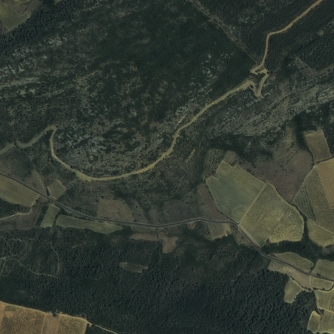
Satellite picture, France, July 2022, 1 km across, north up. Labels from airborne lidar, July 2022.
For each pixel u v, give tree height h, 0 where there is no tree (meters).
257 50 9
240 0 6
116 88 0
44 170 0
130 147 0
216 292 9
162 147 0
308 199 0
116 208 0
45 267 7
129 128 0
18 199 0
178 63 0
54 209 0
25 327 0
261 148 0
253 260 8
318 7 7
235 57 0
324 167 0
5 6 0
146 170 0
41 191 0
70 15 6
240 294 9
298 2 8
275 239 0
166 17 0
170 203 0
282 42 7
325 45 6
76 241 6
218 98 0
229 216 0
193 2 0
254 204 0
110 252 6
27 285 9
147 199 0
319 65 8
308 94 0
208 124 12
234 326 17
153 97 0
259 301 15
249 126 0
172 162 0
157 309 8
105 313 7
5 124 0
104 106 0
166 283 14
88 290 6
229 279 7
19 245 10
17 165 0
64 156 0
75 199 0
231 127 0
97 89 0
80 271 10
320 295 0
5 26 0
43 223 0
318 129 0
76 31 0
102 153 0
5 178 0
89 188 0
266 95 0
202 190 0
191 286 6
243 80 0
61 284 8
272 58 8
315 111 0
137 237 0
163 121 0
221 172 0
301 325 20
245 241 0
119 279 8
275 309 13
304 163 0
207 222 0
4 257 7
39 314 0
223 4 6
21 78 0
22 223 0
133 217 0
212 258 8
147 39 0
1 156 0
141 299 11
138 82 0
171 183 0
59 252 10
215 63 0
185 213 0
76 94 0
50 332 0
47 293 6
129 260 6
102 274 12
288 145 0
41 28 10
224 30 0
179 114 0
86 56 0
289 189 0
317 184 0
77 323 0
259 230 0
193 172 0
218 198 0
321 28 7
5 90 8
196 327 9
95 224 0
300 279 0
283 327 15
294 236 0
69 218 0
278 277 15
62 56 0
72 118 0
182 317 9
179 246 0
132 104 0
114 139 0
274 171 0
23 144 0
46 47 0
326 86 0
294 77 0
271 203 0
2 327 0
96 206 0
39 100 12
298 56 6
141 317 9
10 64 0
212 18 0
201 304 12
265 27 8
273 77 0
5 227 0
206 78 0
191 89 0
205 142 0
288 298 0
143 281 8
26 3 0
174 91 0
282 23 7
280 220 0
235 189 0
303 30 9
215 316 10
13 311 0
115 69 0
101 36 0
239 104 0
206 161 0
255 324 18
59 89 7
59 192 0
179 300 9
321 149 0
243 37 6
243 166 0
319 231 0
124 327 10
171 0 0
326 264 0
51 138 0
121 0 0
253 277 8
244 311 14
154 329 6
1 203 6
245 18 0
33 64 0
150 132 0
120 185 0
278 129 0
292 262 0
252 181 0
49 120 9
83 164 0
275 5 6
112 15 0
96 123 0
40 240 6
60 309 7
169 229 0
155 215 0
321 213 0
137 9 0
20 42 8
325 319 0
